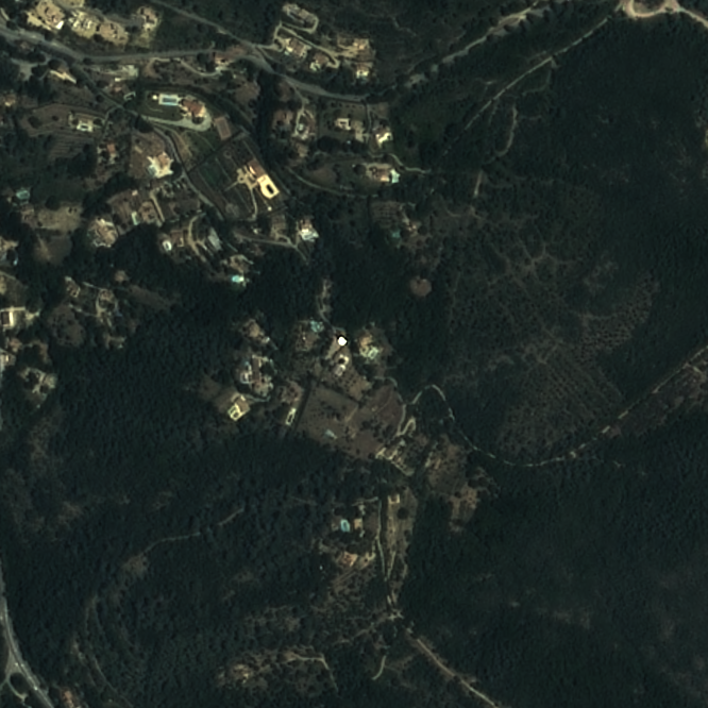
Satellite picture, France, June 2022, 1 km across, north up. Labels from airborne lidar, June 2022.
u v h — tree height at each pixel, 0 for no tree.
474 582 9
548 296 7
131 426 18
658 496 10
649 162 7
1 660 12
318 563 10
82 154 9
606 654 8
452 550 12
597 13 13
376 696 13
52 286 16
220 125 0
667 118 8
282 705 11
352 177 0
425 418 7
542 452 9
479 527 13
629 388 9
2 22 0
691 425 12
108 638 8
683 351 8
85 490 9
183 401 16
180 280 15
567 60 7
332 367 6
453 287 8
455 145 9
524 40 6
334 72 22
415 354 9
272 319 17
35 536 11
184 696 9
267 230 11
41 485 7
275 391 8
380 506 6
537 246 6
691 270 14
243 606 5
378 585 9
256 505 22
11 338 13
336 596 11
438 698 7
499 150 8
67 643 19
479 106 16
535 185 6
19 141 13
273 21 19
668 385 8
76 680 13
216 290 16
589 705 12
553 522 8
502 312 10
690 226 6
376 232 14
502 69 6
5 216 12
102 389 10
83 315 10
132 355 15
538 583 8
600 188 10
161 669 17
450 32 0
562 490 8
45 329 14
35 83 13
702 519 9
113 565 11
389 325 13
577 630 8
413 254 7
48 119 0
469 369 6
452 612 9
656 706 13
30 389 15
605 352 8
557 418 7
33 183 10
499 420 10
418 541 7
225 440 8
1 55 22
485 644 12
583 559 10
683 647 7
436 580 13
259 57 0
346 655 6
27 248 15
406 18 6
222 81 11
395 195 11
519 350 6
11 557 14
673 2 0
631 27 8
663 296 9
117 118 17
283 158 19
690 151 6
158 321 12
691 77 7
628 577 9
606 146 8
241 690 7
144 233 19
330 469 8
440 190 12
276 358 22
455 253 7
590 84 6
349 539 12
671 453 13
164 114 0
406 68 0
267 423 15
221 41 12
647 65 8
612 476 11
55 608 13
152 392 14
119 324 8
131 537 11
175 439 18
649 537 8
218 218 10
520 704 8
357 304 14
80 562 10
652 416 10
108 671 12
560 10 22
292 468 9
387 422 0
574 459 6
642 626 8
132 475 8
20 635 13
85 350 14
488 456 13
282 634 12
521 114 8
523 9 9
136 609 19
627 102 7
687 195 8
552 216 9
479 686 11
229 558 19
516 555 7
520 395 7
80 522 10
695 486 8
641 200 8
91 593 8
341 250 12
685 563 6
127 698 7
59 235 7
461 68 13
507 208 9
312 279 14
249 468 8
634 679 9
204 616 16
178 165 12
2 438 8
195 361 16
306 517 8
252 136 6
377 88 14
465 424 10
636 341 7
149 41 0
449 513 12
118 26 0
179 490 7
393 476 7
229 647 22
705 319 6
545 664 8
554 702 13
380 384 8
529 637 8
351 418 0
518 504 16
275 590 6
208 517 19
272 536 11
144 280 12
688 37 10
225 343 19
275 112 15
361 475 10
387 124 9
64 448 7
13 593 16
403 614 8
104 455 9
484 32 17
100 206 11
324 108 7
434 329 9
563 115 18
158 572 7
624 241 7
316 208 17
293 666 8
